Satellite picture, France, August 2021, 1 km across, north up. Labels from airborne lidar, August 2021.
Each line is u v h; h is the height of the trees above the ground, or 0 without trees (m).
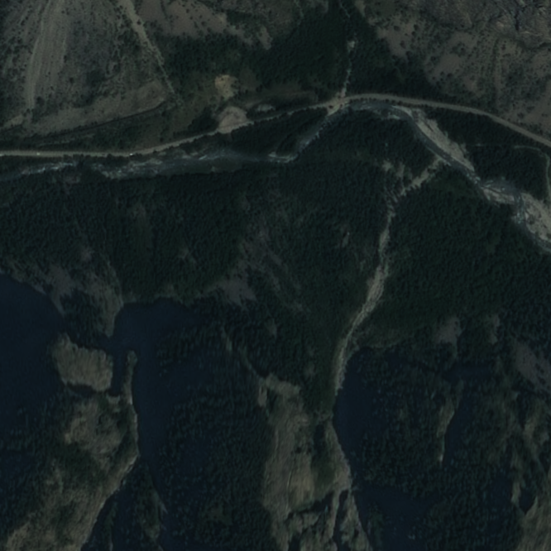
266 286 7
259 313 17
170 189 18
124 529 12
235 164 0
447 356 13
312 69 13
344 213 16
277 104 6
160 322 10
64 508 9
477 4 0
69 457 11
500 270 10
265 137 15
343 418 0
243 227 7
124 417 15
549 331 22
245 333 21
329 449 10
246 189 10
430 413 8
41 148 7
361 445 11
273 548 18
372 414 11
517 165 16
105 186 14
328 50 14
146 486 7
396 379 10
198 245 18
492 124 18
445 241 15
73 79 10
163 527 0
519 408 12
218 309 24
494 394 10
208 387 8
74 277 13
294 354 7
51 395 8
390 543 0
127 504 11
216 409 14
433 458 13
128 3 0
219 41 13
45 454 11
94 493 7
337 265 12
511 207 9
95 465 7
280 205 6
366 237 8
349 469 0
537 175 10
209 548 8
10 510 9
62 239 12
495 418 12
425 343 10
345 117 12
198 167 0
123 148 13
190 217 11
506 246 15
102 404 8
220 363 11
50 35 0
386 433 12
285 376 20
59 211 16
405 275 7
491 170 16
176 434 11
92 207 17
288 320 12
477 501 14
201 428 13
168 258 9
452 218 8
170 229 11
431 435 10
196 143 9
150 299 6
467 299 14
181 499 14
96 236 10
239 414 14
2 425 7
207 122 9
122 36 8
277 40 10
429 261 12
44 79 0
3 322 14
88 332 17
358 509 0
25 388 6
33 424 12
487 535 13
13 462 13
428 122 0
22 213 9
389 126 11
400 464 16
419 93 12
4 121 9
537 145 7
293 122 17
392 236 6
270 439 6
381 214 13
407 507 12
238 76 12
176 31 0
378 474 10
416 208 15
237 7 7
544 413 9
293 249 8
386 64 9
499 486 6
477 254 10
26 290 0
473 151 6
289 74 11
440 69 0
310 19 10
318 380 8
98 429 9
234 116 0
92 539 0
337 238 8
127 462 9
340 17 10
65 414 8
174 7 0
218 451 14
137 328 0
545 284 15
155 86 0
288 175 11
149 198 10
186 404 8
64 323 11
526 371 0
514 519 6
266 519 15
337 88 10
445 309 12
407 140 10
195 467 14
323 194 12
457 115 13
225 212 11
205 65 9
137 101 0
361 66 8
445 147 0
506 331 12
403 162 8
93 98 8
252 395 10
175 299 7
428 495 15
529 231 0
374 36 10
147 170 0
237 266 5
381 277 0
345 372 0
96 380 0
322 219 14
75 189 13
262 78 12
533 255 10
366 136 9
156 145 0
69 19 0
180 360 12
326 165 9
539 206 0
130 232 10
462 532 18
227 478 13
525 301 15
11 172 9
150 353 8
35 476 15
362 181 14
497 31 0
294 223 8
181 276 8
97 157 8
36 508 8
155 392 7
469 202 11
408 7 6
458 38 0
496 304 11
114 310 0
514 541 7
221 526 7
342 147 10
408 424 12
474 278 10
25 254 8
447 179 10
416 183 0
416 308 11
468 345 13
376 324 6
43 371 9
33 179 10
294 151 11
